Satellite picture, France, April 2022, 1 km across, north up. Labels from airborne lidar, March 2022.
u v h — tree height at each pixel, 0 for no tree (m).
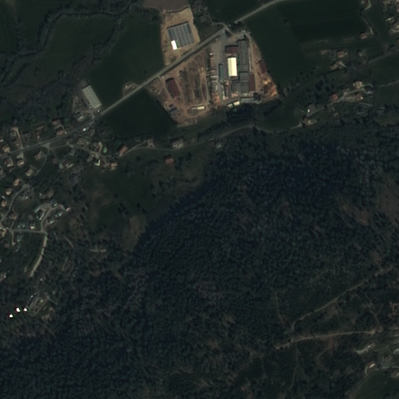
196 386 6
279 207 26
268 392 8
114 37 16
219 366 18
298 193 17
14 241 0
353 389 17
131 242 0
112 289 29
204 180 0
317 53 0
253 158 6
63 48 0
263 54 0
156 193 20
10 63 19
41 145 0
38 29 0
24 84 0
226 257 21
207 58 0
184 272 27
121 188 0
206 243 27
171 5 0
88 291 34
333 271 8
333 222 32
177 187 21
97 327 31
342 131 11
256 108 14
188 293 25
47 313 0
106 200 0
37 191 8
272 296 17
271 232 12
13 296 14
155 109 0
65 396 30
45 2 0
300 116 0
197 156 0
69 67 0
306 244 17
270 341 27
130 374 27
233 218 20
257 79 0
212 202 29
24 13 0
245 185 29
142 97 0
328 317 22
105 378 22
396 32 0
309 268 12
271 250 13
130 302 25
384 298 11
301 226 19
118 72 0
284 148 9
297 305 9
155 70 0
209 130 0
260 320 24
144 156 0
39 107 24
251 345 25
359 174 31
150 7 0
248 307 28
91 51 0
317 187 34
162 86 0
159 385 24
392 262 24
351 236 29
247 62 0
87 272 16
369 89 7
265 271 20
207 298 28
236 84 0
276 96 0
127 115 0
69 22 0
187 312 9
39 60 0
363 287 8
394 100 0
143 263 29
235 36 0
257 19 0
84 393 23
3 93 0
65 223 0
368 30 0
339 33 0
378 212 18
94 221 0
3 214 0
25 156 0
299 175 6
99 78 0
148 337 18
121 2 16
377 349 0
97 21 0
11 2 0
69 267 11
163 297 34
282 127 0
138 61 0
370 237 32
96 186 0
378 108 9
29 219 0
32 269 0
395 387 0
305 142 8
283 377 7
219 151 0
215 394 12
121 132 0
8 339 15
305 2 0
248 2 0
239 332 29
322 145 7
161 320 6
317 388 13
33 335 16
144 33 0
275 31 0
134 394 12
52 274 16
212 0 0
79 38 0
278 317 29
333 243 33
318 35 0
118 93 0
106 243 13
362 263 22
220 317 25
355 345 14
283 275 14
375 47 0
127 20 0
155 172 21
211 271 19
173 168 0
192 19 0
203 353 27
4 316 14
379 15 0
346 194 44
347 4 0
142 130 0
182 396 11
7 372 26
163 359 14
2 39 0
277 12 0
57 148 0
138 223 0
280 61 0
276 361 10
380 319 13
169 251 24
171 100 0
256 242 16
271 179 29
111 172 0
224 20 0
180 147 0
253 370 8
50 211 0
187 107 0
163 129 0
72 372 30
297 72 0
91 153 0
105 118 0
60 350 32
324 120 0
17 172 7
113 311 19
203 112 0
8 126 20
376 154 15
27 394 25
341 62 0
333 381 7
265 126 0
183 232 27
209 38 0
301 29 0
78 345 16
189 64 0
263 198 24
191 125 0
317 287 9
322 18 0
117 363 10
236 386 9
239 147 7
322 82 0
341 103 0
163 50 0
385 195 0
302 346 6
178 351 25
